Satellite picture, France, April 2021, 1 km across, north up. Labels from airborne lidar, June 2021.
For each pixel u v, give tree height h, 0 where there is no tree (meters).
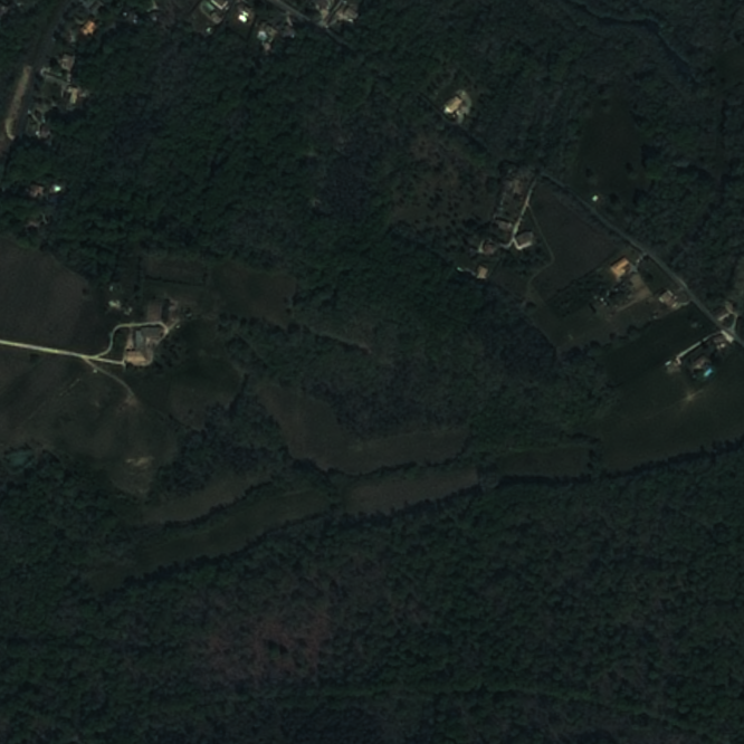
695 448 0
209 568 19
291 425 0
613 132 0
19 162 16
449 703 23
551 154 13
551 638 17
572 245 0
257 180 23
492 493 23
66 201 16
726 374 0
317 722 21
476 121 10
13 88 16
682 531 27
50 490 20
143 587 17
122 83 20
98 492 7
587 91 14
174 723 16
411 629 15
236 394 0
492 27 17
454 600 22
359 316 19
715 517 22
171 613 25
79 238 13
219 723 11
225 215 22
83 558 21
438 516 28
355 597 18
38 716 10
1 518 20
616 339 12
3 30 15
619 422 0
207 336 0
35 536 25
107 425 0
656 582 21
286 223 20
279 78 16
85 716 20
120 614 19
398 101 20
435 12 22
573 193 15
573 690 22
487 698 24
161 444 0
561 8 28
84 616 27
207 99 20
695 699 24
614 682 15
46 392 0
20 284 0
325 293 23
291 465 23
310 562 16
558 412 23
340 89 21
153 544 10
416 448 0
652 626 23
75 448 0
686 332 0
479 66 12
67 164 17
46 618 22
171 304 7
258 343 19
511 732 16
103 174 17
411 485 0
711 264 11
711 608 25
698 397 0
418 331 20
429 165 9
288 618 10
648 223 14
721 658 26
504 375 22
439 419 22
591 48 19
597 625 26
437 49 29
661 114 19
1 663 14
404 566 24
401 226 10
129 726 22
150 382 0
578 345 0
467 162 14
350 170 22
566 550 19
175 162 21
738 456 19
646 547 20
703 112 21
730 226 17
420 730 10
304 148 19
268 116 23
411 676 24
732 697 29
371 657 16
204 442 9
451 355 20
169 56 13
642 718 12
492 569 15
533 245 6
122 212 6
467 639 29
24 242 14
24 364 0
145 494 0
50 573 27
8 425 0
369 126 13
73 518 24
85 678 25
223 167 19
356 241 25
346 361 21
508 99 11
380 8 22
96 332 0
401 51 21
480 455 16
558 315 0
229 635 9
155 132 21
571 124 15
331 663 12
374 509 0
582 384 22
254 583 27
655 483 23
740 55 0
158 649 21
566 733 13
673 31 17
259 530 0
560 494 19
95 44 16
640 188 0
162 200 25
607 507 20
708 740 15
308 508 0
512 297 11
